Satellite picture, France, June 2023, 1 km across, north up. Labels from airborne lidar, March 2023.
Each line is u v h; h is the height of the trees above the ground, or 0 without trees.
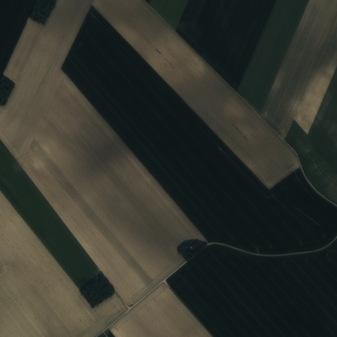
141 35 0
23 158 0
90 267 0
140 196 0
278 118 0
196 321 0
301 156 0
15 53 0
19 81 0
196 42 0
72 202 0
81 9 0
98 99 0
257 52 0
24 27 0
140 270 0
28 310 0
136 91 0
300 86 0
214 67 0
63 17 0
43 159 0
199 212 0
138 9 0
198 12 0
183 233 0
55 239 0
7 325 0
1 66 0
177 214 0
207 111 0
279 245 0
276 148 0
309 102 0
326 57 0
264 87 0
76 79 0
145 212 0
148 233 0
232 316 0
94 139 0
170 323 0
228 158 0
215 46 0
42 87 0
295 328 0
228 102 0
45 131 0
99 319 0
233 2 0
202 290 0
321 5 0
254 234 0
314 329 0
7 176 0
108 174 0
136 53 0
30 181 0
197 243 15
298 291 0
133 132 0
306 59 0
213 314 0
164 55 0
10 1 0
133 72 0
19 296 0
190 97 0
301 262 0
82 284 0
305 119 0
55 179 0
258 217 0
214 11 0
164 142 0
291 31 0
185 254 16
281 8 0
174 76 0
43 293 0
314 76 0
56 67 0
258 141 0
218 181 0
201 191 0
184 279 0
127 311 0
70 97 0
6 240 0
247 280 0
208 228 0
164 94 0
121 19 0
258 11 0
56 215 0
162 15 0
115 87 0
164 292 0
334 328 0
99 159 0
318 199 0
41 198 0
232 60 0
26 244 0
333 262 0
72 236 0
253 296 0
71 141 0
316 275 0
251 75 0
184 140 0
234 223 0
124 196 0
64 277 0
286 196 0
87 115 0
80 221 0
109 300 0
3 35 0
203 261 0
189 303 0
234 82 0
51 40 0
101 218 0
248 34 0
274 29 0
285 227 0
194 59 0
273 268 0
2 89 17
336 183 0
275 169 0
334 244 0
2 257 0
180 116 0
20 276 0
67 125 0
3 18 0
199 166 0
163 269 0
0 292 0
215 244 0
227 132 0
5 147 0
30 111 0
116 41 0
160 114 0
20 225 0
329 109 0
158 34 0
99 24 0
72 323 0
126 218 0
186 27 0
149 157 0
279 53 0
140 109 0
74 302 0
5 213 0
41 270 0
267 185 0
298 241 0
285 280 0
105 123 0
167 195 0
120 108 0
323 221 0
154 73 0
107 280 15
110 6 0
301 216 0
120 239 0
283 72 0
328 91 0
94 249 0
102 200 0
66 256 0
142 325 0
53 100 0
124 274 0
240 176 0
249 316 0
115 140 0
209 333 0
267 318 0
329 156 0
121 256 0
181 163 0
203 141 0
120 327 0
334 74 0
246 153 0
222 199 0
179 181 0
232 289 0
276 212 0
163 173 0
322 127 0
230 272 0
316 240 0
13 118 0
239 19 0
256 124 0
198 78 0
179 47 0
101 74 0
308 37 0
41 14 18
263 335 0
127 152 0
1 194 0
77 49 0
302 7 0
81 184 0
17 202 0
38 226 0
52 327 0
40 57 0
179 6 0
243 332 0
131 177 0
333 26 0
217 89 0
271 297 0
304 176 0
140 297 0
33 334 0
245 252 0
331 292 0
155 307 0
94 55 0
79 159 0
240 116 0
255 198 0
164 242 0
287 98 0
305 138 0
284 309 0
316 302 0
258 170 0
